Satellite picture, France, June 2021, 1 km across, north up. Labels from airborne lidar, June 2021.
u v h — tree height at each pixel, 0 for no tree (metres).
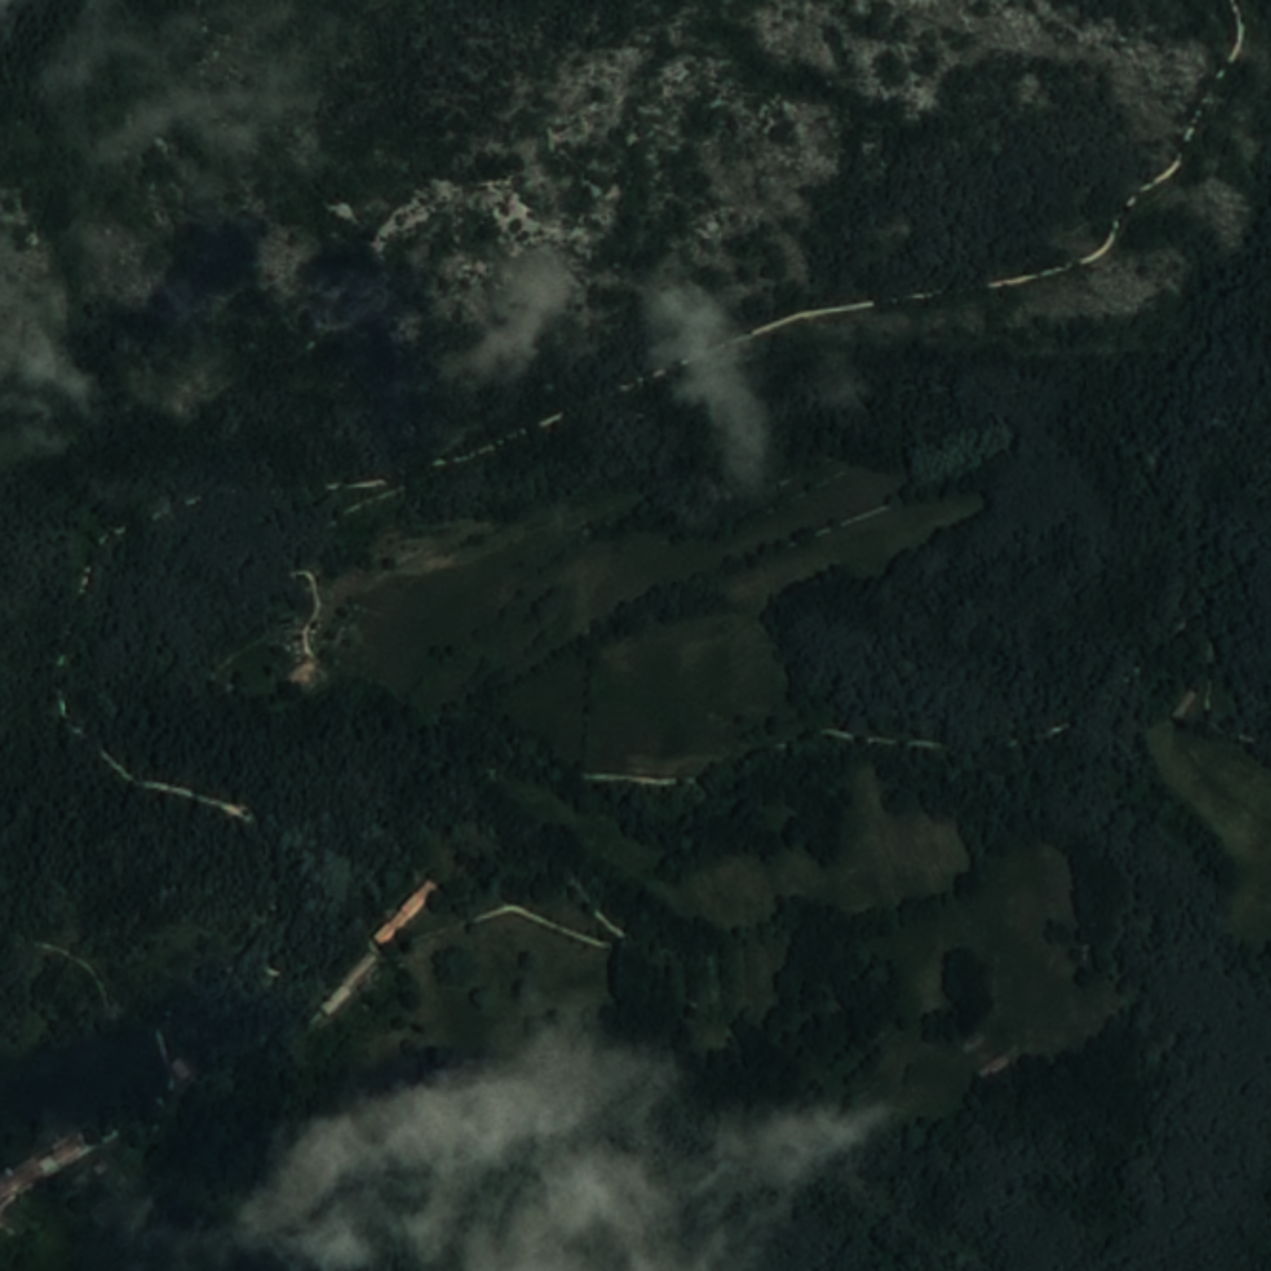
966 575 18
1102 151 10
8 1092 0
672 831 14
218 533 17
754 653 0
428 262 7
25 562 19
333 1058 6
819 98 8
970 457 17
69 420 9
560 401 14
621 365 18
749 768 17
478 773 16
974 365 16
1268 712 8
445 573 0
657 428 11
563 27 10
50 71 15
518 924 0
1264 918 0
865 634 12
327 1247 17
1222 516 16
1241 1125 17
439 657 7
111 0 5
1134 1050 18
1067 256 6
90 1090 0
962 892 14
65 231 8
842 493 0
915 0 0
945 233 12
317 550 17
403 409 15
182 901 12
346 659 0
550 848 17
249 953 14
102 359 13
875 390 21
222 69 0
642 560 0
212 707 15
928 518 0
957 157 9
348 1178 18
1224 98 9
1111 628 15
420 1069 7
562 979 0
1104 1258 19
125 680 16
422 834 21
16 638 20
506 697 11
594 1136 14
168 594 20
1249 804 0
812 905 15
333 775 13
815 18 0
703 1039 0
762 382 15
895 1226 11
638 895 19
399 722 12
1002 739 7
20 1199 7
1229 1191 19
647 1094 8
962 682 20
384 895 10
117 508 17
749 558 8
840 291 9
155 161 9
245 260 7
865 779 0
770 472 13
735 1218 18
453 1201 15
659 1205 13
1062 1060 10
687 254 6
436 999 0
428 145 7
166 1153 18
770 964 0
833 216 9
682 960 8
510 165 9
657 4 6
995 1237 16
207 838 8
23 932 13
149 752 24
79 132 7
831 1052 12
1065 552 14
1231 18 10
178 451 16
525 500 7
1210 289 25
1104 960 13
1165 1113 19
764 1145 11
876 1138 19
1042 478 20
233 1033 23
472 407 14
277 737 16
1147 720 14
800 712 7
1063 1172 16
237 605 15
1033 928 0
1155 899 17
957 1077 0
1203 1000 18
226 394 7
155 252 9
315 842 20
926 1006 0
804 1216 20
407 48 8
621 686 0
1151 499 17
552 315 11
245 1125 13
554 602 11
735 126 10
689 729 0
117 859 10
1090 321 6
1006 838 15
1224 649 19
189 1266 0
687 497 13
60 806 15
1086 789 21
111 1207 0
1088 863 18
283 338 10
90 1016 15
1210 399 15
